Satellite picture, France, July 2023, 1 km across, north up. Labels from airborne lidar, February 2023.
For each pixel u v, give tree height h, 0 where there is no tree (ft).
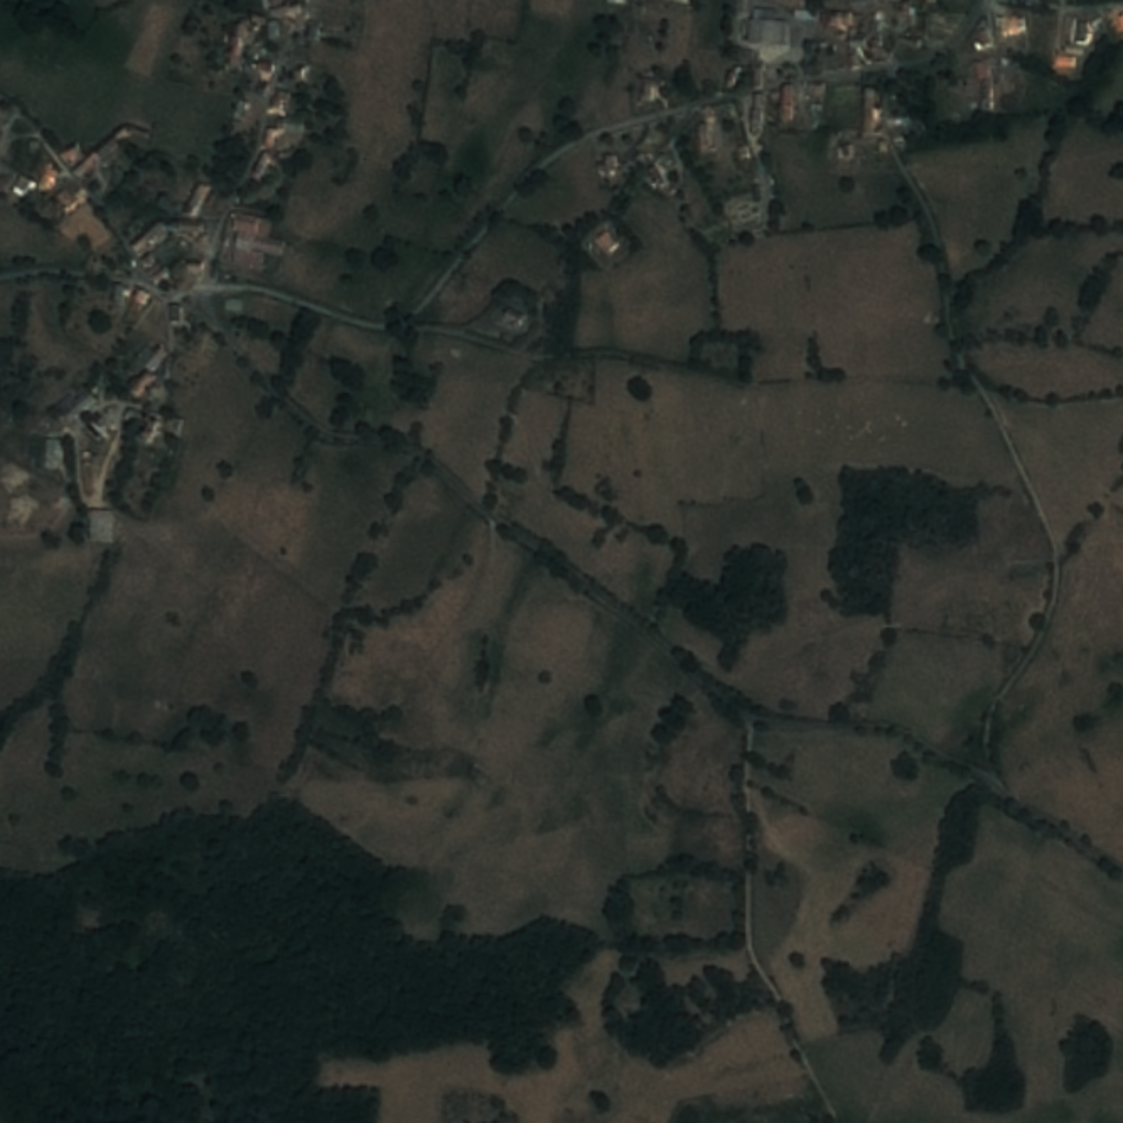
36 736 0
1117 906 0
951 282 43
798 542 0
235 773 0
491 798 0
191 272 0
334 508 0
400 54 0
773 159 30
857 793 0
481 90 0
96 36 0
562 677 0
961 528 24
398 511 25
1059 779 0
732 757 0
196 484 0
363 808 0
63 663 21
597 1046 0
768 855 0
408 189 0
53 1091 83
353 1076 0
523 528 29
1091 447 0
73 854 63
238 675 0
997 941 0
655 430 0
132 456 36
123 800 0
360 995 53
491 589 0
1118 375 0
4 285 0
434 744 0
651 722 0
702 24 0
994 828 0
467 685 0
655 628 33
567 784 0
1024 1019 0
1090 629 0
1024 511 0
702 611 57
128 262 28
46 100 0
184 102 0
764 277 0
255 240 0
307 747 25
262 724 0
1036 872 0
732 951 48
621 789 0
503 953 55
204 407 0
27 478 0
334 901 60
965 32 0
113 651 0
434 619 0
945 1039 0
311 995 51
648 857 0
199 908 39
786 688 0
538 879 0
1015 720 0
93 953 46
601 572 0
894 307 0
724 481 0
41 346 0
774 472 0
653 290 0
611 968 0
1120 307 0
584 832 0
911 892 0
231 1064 53
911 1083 0
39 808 0
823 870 0
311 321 55
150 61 0
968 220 0
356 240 0
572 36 0
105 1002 64
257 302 0
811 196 0
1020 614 0
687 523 0
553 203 0
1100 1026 30
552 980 31
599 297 0
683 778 0
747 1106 0
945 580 0
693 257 0
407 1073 0
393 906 0
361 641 25
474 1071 0
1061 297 0
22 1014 57
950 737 0
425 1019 55
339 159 18
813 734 0
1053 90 0
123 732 0
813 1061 0
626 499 0
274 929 47
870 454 0
